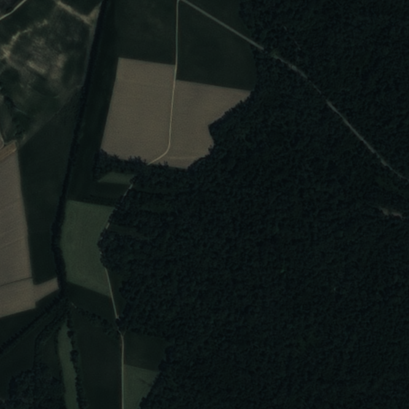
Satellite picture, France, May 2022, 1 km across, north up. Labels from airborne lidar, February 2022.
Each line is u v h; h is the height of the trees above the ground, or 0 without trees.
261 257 26
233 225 23
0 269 0
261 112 8
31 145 0
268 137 29
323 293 26
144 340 0
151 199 22
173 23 0
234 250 28
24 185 0
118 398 0
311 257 28
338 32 25
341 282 20
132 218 25
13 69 0
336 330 23
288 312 24
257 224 20
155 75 0
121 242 29
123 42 0
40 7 0
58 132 0
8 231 0
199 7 0
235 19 0
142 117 0
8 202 0
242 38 0
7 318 0
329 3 19
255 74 0
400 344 21
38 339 6
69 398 0
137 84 0
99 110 0
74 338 13
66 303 10
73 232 0
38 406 9
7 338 0
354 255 25
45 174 0
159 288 25
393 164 25
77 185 0
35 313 0
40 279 0
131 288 23
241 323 11
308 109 27
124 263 26
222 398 8
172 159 0
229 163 29
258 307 25
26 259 0
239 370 18
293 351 27
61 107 0
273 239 32
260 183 22
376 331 20
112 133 0
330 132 29
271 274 12
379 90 26
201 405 19
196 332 23
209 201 15
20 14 0
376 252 7
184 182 8
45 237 0
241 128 23
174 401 22
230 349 28
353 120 24
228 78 0
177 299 25
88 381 0
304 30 23
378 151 7
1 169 0
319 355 26
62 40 0
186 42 0
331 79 21
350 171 27
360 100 27
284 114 23
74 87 0
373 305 26
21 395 26
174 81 0
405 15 18
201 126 0
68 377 0
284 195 24
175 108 0
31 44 0
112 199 0
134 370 0
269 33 9
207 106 0
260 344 25
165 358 0
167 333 17
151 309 27
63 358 0
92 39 0
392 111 27
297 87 24
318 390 24
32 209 0
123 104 0
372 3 9
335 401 8
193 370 20
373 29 27
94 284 0
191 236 19
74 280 0
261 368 23
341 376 24
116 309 0
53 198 0
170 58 0
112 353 0
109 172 8
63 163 0
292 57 24
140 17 0
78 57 0
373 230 20
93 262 0
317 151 28
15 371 0
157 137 0
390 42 12
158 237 23
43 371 25
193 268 25
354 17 24
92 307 0
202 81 0
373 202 27
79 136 14
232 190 25
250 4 9
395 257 23
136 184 9
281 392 23
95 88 0
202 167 16
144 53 0
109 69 0
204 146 0
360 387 16
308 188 25
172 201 9
